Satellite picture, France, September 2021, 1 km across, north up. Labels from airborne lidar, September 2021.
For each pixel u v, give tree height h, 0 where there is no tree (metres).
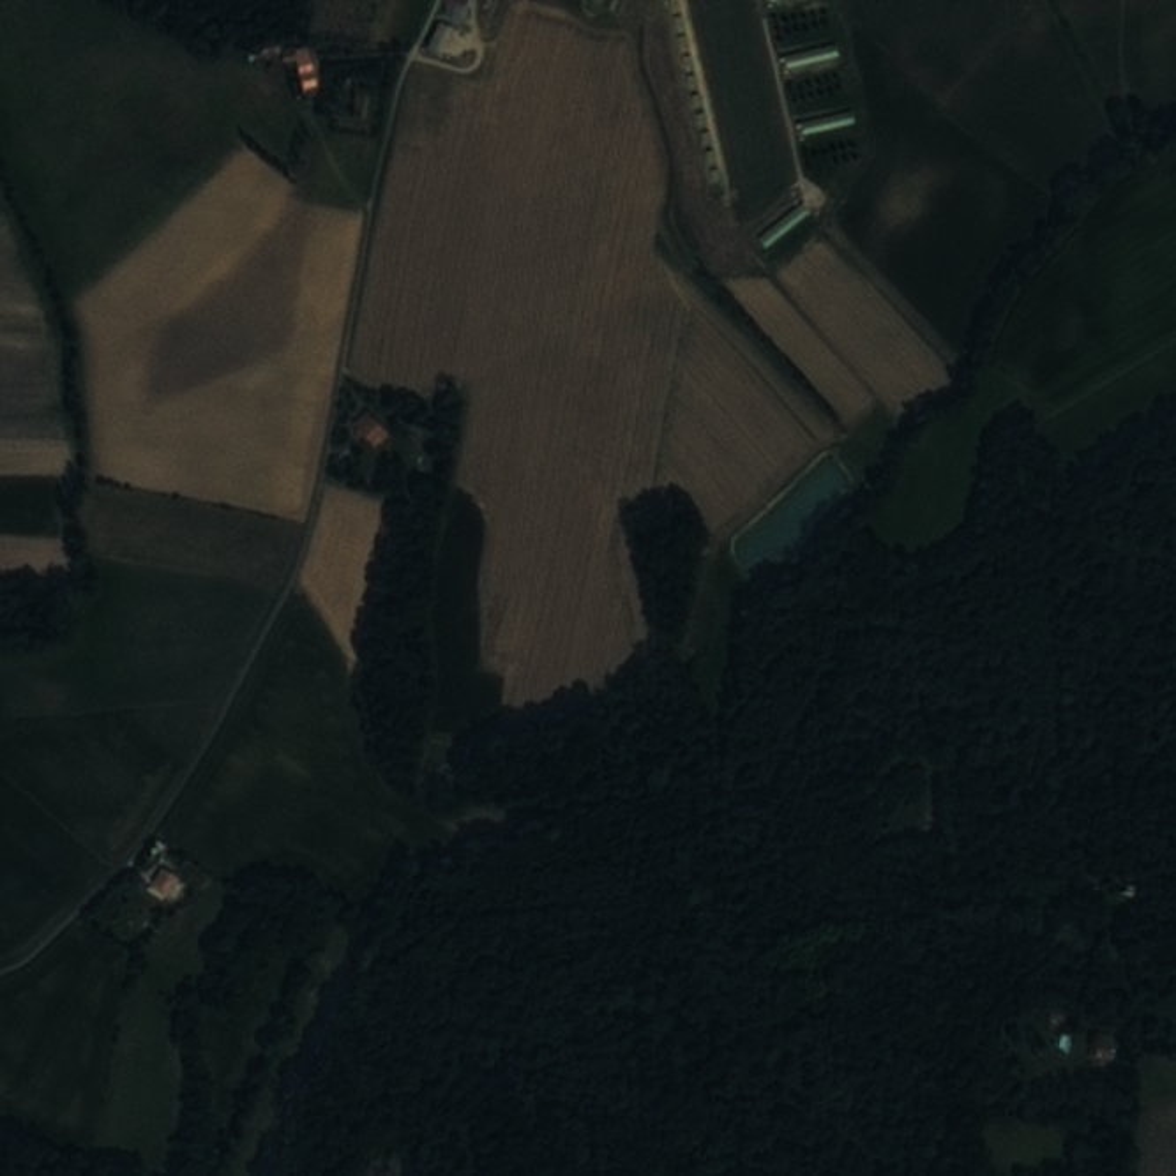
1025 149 0
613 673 0
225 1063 0
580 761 30
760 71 0
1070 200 28
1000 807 17
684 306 0
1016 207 0
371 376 0
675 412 0
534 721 21
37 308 0
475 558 0
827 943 17
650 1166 23
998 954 21
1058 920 29
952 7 0
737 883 21
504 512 0
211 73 0
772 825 8
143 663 0
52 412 0
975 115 0
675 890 24
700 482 0
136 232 0
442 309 0
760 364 0
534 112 0
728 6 0
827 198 0
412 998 23
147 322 0
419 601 20
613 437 0
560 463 0
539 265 0
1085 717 19
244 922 21
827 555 22
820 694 19
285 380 0
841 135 0
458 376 0
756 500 0
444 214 0
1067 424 0
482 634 0
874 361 0
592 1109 21
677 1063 16
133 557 0
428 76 0
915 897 20
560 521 0
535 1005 17
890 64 0
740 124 0
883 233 0
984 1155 21
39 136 0
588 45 0
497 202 0
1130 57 0
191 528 0
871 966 21
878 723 14
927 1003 27
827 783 20
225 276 0
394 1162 11
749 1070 13
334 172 0
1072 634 19
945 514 0
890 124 0
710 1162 24
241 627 0
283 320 0
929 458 0
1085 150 0
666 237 0
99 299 0
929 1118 21
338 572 0
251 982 9
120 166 0
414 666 22
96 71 0
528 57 0
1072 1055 0
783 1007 22
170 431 0
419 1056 20
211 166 0
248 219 0
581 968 19
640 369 0
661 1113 21
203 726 0
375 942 21
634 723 14
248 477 0
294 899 20
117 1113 0
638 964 12
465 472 0
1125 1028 15
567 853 21
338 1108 20
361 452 10
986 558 14
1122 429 0
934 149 0
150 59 0
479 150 0
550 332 0
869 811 21
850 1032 22
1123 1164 23
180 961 0
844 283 0
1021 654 12
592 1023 18
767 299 0
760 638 23
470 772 24
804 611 20
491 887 17
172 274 0
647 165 0
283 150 0
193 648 0
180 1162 20
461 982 17
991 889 26
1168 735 10
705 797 23
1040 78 0
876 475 11
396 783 13
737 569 0
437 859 21
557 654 0
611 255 0
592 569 0
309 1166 22
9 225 0
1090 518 12
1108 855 21
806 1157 14
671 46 0
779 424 0
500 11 0
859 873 17
